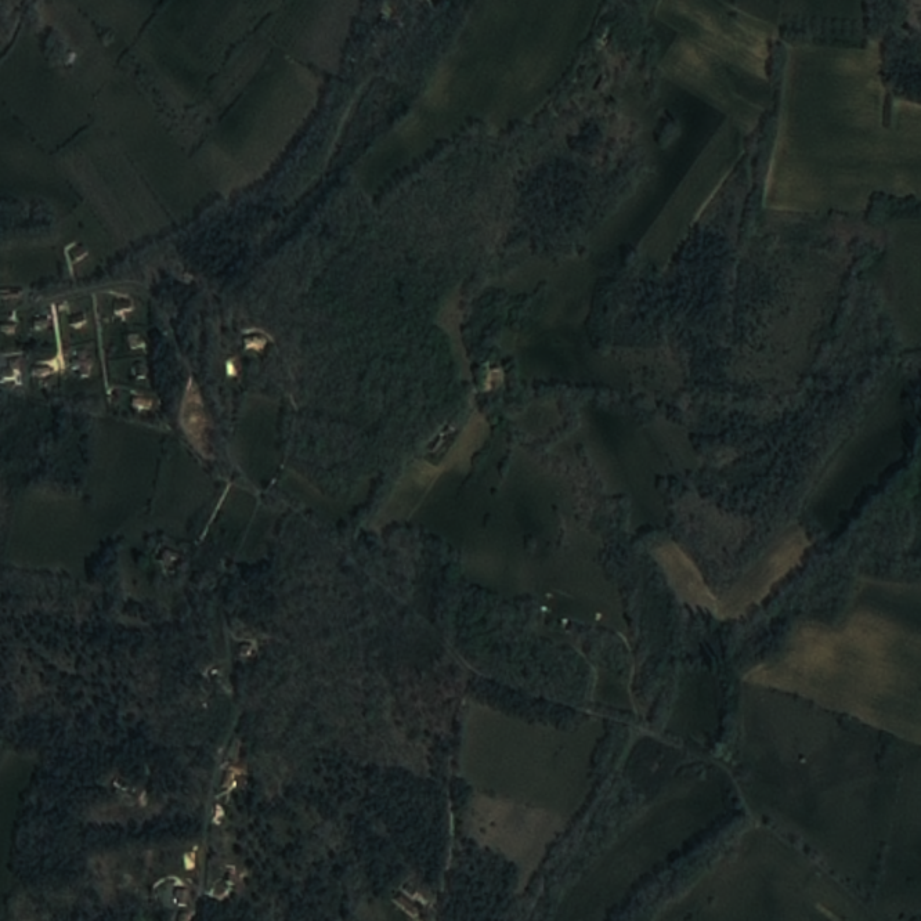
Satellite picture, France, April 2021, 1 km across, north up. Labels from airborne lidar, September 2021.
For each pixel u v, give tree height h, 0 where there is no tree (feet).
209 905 51
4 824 0
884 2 58
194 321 24
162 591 41
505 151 45
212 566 39
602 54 45
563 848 61
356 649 29
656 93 50
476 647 60
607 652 53
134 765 73
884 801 0
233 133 0
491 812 0
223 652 48
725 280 38
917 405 80
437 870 52
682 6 0
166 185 0
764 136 44
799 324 0
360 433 62
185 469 0
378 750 41
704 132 0
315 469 60
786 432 58
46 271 0
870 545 63
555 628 54
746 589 0
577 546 0
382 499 65
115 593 60
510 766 0
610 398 59
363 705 37
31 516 0
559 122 42
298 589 24
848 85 0
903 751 0
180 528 0
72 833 57
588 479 34
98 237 0
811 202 0
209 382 35
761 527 52
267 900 46
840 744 0
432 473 0
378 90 20
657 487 28
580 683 42
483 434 0
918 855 0
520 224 35
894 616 0
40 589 51
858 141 0
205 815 42
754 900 0
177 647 59
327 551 52
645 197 0
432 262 48
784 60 48
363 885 32
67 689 26
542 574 0
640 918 69
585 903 0
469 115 0
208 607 67
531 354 0
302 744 56
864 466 0
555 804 0
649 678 46
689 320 49
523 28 0
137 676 19
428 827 32
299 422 63
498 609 65
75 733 46
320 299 50
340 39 0
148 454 0
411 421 73
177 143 0
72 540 0
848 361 43
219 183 0
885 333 59
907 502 67
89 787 69
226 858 30
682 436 0
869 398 66
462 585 46
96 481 0
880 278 0
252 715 53
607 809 57
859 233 0
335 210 70
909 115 0
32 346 30
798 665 0
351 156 26
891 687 0
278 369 53
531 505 0
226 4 0
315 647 52
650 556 26
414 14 53
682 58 0
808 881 0
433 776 41
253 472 0
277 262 56
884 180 0
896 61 64
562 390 68
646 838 0
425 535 40
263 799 47
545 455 40
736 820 62
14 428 52
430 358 49
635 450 0
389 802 36
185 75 0
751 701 0
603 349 57
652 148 0
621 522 38
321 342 51
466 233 57
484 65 0
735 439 35
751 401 48
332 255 48
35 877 55
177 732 32
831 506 0
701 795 0
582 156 60
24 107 0
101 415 41
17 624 28
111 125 0
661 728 61
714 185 0
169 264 57
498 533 0
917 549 27
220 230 58
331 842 62
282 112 0
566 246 56
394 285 38
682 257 33
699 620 53
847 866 0
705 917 0
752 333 19
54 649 35
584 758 0
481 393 19
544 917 30
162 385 71
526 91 0
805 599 70
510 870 40
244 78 0
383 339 54
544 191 64
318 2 0
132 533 0
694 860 65
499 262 43
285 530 46
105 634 47
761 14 0
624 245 0
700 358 36
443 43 68
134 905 64
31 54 0
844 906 0
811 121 0
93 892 47
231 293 34
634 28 73
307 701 55
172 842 53
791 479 41
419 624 67
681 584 0
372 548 75
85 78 0
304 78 0
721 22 0
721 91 0
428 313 50
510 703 70
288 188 68
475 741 0
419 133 0
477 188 32
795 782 0
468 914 39
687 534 63
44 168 0
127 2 0
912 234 0
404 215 66
